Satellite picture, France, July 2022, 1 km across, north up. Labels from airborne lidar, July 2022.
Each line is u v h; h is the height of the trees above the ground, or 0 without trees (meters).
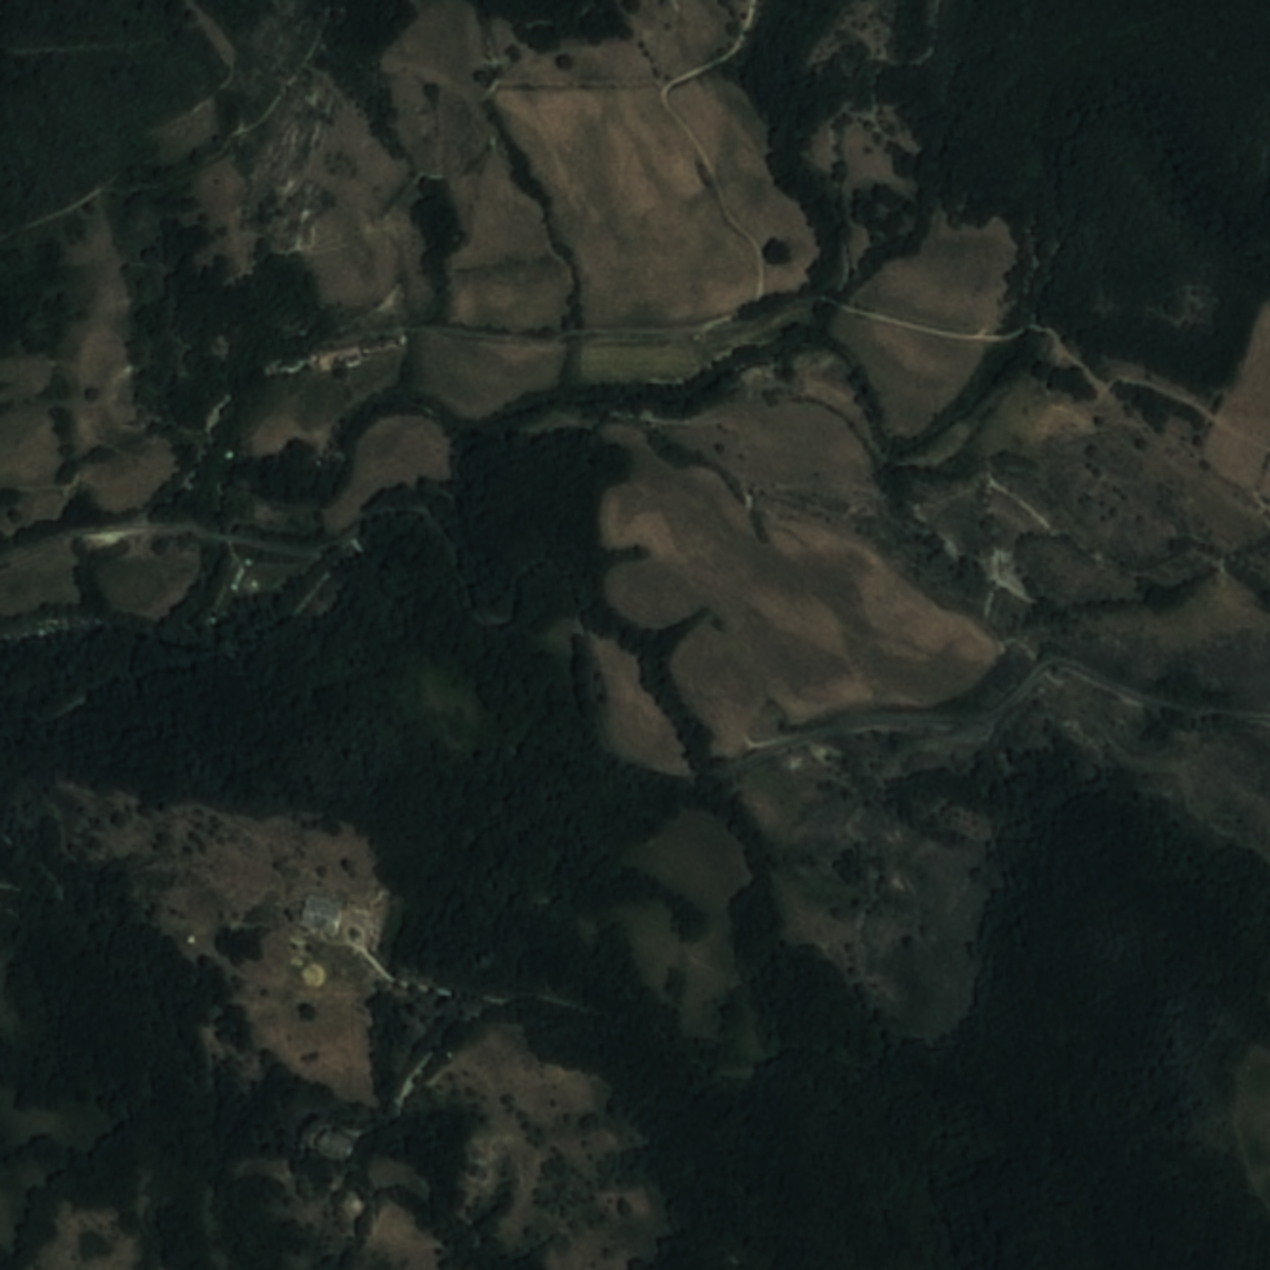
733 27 9
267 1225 6
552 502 15
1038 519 0
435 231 14
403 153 7
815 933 0
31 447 0
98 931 14
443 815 12
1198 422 8
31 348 14
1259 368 0
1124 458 0
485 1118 6
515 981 7
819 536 0
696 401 12
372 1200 6
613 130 0
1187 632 0
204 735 19
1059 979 16
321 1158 11
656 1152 13
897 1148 17
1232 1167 10
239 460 7
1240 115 10
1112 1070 12
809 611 0
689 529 0
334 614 9
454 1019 7
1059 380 14
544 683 15
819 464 0
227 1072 8
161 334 7
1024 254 10
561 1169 6
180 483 7
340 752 7
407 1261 0
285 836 0
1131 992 13
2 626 12
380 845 8
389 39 18
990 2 15
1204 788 0
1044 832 10
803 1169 14
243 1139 11
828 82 10
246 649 14
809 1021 10
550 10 16
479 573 17
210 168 0
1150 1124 8
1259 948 14
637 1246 0
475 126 0
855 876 9
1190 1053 16
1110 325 8
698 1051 6
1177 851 13
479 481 11
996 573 0
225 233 7
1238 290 6
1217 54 12
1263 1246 23
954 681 0
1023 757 8
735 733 0
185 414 11
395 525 16
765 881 11
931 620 0
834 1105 11
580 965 16
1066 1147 14
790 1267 13
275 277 13
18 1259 13
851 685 0
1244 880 14
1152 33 11
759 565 0
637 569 0
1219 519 0
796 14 16
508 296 0
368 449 0
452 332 0
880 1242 13
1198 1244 13
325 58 8
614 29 14
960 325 0
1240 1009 18
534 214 0
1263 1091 0
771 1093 16
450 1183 10
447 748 10
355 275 0
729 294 0
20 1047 6
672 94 0
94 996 13
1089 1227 15
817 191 11
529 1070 0
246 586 0
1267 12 14
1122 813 16
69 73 8
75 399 0
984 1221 9
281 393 0
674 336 0
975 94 13
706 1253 12
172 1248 12
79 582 10
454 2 0
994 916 12
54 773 13
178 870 0
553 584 18
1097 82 19
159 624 13
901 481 16
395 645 9
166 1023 18
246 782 18
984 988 10
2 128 7
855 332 0
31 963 14
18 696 7
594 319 0
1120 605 8
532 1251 6
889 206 9
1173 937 12
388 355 0
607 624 22
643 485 0
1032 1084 17
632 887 14
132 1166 6
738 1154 16
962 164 13
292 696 14
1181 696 11
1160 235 6
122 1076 13
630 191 0
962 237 0
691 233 0
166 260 11
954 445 0
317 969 0
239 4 7
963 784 10
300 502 8
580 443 17
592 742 9
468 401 0
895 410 0
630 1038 15
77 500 11
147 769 16
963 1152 10
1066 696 0
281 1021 0
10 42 11
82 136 8
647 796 9
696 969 0
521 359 0
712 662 0
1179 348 7
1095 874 14
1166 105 16
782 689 0
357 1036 0
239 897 0
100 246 0
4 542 12
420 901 11
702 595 0
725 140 0
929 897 0
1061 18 11
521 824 22
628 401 10
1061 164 16
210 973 13
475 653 12
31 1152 12
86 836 8
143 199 13
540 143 0
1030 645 0
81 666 14
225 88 0
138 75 12
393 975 9
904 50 8
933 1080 15
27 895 10
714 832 0
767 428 0
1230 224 18
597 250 0
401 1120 9
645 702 0
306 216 0
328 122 7
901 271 0
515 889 9
